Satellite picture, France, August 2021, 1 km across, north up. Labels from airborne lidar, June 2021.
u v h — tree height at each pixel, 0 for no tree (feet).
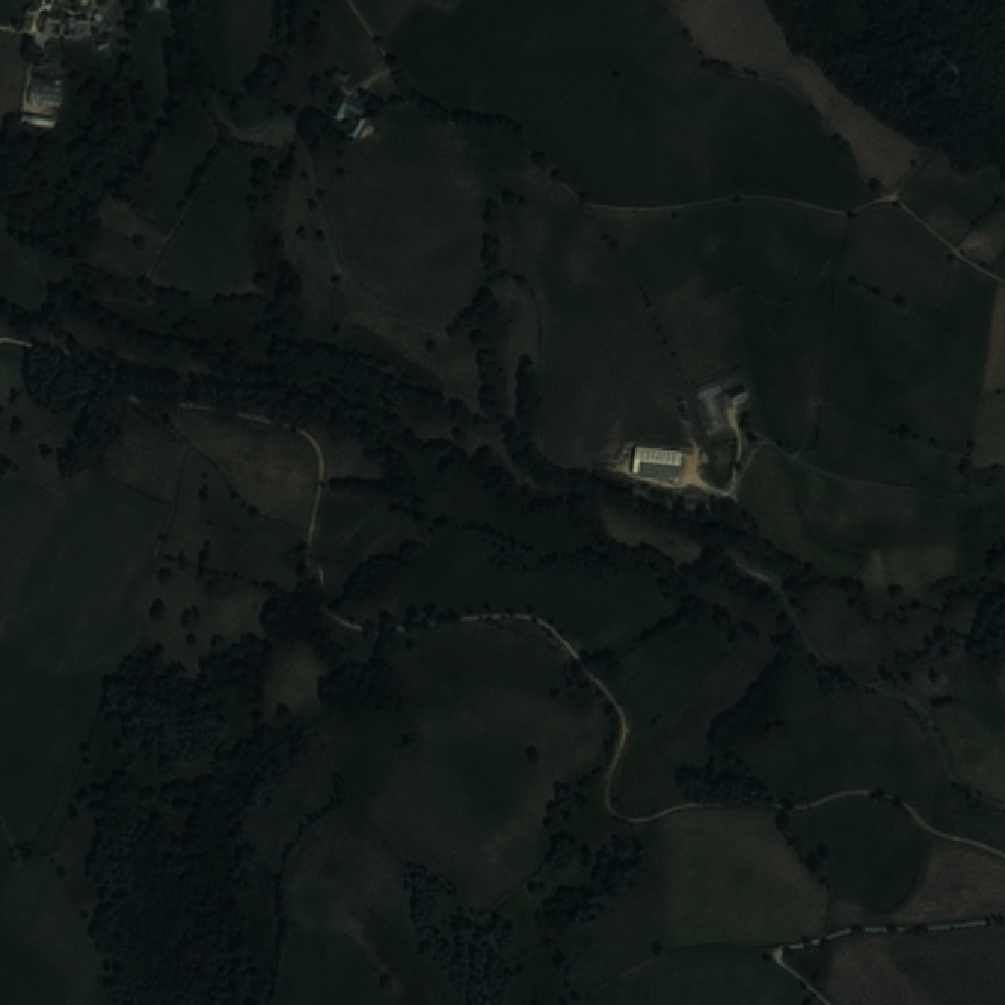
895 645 0
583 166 0
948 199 0
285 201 0
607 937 0
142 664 33
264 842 0
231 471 0
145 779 0
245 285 0
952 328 0
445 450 51
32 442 0
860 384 0
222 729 45
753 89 0
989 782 0
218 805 76
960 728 0
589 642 0
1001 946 0
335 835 0
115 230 0
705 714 0
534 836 0
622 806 0
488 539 19
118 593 0
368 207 0
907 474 0
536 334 0
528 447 42
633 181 0
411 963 0
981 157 52
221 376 43
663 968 0
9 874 0
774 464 0
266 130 0
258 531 0
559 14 0
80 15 0
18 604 0
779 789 0
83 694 0
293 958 0
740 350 0
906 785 0
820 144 0
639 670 0
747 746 0
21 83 0
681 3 0
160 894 69
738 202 24
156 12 0
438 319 0
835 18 38
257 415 49
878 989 0
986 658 26
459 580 0
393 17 0
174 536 0
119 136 34
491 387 44
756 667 0
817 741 0
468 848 0
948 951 0
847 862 0
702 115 0
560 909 37
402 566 49
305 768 0
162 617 40
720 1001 0
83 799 43
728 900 0
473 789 0
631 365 0
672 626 44
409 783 0
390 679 42
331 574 0
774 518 0
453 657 0
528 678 0
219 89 18
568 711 0
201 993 78
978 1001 0
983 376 0
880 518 0
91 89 43
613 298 0
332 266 0
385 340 0
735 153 0
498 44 0
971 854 0
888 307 0
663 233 0
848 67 61
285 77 80
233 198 0
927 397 0
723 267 0
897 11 64
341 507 0
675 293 0
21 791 0
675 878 0
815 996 21
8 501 0
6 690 0
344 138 45
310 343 0
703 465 0
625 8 0
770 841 0
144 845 66
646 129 0
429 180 0
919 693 0
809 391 0
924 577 0
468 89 0
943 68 31
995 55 36
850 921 0
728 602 0
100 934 54
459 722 0
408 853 0
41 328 68
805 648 34
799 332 0
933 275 0
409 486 61
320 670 0
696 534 62
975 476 20
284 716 50
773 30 0
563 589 0
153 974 66
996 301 0
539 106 0
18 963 0
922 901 0
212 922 64
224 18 0
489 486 46
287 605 53
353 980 0
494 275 38
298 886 0
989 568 27
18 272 0
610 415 0
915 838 0
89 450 55
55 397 68
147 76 0
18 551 0
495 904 0
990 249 0
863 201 0
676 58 0
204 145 0
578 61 0
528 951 0
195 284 0
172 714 53
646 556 41
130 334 59
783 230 0
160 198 0
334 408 44
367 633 48
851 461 0
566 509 70
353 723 0
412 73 0
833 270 0
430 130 0
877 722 0
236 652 28
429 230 0
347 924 0
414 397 71
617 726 31
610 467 0
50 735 0
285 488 0
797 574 40
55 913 0
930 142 42
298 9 65
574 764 0
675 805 0
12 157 76
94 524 0
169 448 0
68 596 0
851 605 36
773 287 0
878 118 42
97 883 34
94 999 0
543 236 0
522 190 0
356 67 0
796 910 0
